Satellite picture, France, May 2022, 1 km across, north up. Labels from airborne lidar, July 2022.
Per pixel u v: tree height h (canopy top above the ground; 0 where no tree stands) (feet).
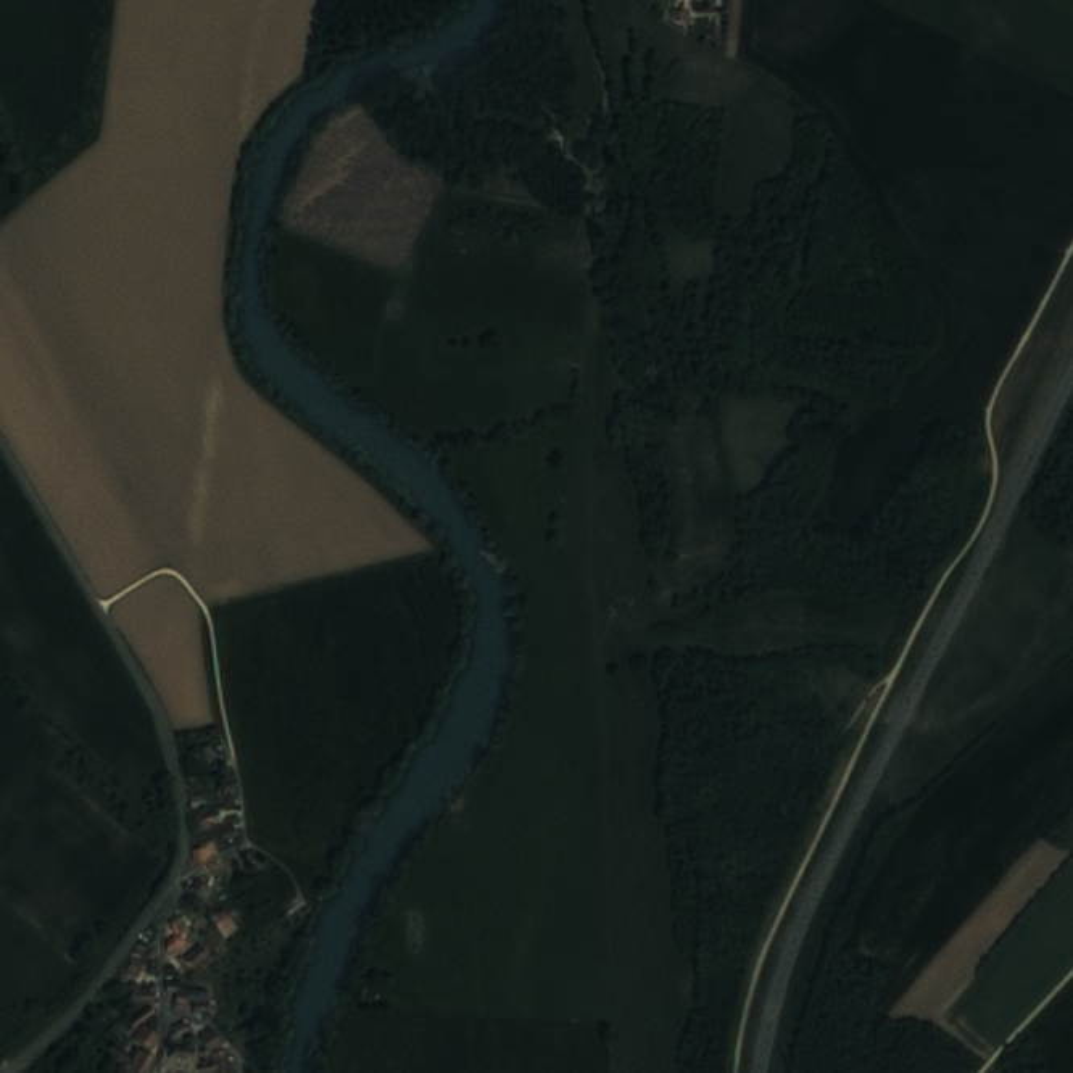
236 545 0
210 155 0
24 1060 0
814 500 61
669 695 66
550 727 0
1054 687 0
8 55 0
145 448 0
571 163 94
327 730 0
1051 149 0
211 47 0
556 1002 0
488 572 0
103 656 0
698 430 0
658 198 46
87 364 0
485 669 0
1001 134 0
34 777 0
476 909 0
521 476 0
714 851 46
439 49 0
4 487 0
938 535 53
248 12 0
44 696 0
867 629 0
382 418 25
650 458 42
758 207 35
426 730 48
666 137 33
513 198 0
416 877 0
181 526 0
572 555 0
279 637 0
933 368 0
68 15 0
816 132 45
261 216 0
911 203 0
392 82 104
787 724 55
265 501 0
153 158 0
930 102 0
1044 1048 0
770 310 61
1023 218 0
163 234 0
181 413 0
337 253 0
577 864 0
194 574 0
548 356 0
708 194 44
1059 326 0
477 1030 0
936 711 0
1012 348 0
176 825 53
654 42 0
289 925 18
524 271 0
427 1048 0
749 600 70
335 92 0
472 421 0
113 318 0
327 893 43
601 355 0
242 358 29
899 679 0
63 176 0
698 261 0
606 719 0
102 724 0
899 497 60
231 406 0
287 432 0
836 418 47
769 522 56
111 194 0
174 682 0
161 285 0
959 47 0
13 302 0
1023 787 0
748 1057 0
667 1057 0
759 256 21
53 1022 0
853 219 67
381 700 0
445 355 0
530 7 104
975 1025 0
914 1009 0
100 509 0
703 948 75
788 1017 0
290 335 44
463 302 0
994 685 0
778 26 0
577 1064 0
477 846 0
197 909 26
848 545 68
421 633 0
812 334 30
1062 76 0
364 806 40
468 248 0
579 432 0
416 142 117
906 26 0
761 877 24
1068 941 0
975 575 0
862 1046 52
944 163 0
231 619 0
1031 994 0
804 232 43
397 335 0
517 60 101
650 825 0
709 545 0
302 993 0
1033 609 0
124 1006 19
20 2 0
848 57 0
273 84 0
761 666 63
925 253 0
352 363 0
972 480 0
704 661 53
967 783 0
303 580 0
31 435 0
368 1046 0
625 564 0
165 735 0
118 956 0
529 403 0
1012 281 0
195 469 0
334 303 0
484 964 0
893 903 0
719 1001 44
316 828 0
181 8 0
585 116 0
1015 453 0
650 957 0
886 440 0
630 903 0
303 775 0
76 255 0
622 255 37
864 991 59
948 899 0
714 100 0
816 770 52
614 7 0
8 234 0
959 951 0
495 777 0
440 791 0
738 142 0
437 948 0
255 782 0
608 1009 0
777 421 0
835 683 0
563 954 0
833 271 68
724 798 58
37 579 0
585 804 0
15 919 0
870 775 0
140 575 0
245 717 0
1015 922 20
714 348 42
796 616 0
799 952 0
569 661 0
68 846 0
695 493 0
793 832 40
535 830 0
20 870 0
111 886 0
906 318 37
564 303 0
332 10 68
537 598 0
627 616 0
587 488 0
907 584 65
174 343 0
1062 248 0
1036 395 0
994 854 0
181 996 0
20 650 0
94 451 0
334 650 0
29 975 0
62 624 0
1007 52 0
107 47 0
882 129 0
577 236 0
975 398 0
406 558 0
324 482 0
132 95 0
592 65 0
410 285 0
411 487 0
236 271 24
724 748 73
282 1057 50
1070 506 27
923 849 0
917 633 0
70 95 0
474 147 111
